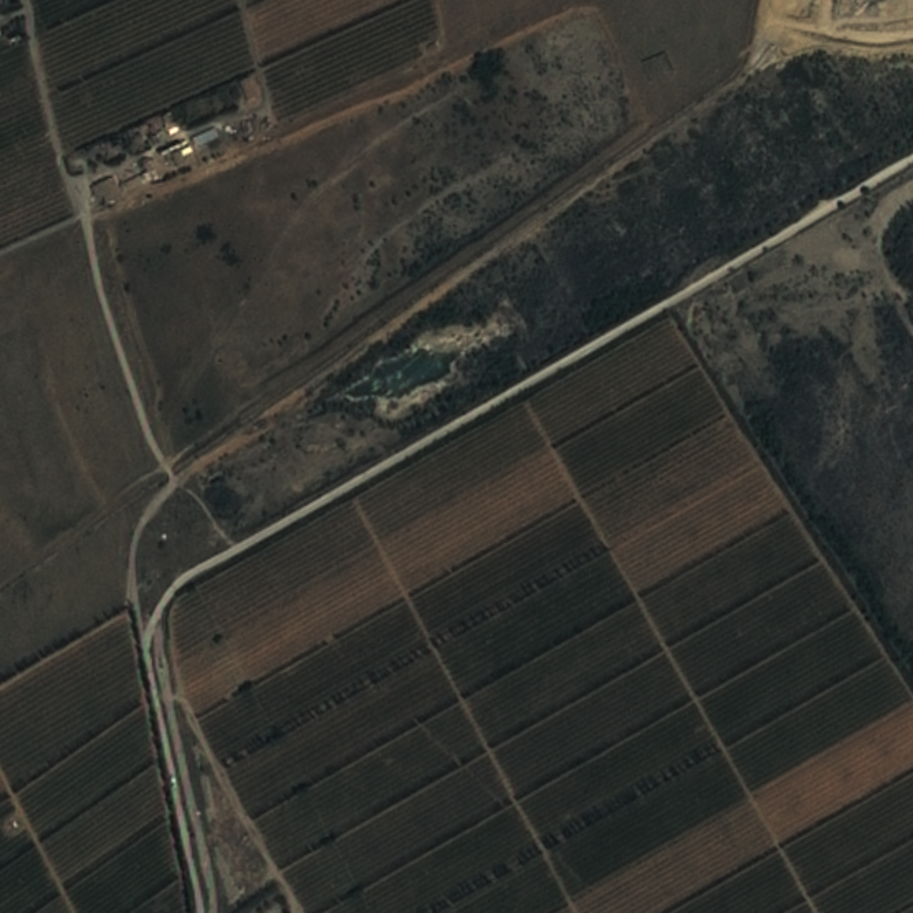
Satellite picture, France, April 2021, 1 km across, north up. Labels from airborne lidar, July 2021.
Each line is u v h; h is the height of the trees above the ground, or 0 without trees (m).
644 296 10
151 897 11
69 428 0
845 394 0
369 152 0
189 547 0
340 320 0
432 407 6
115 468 0
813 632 11
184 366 0
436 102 0
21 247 0
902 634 14
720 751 19
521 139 8
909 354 0
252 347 0
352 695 16
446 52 0
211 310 0
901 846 12
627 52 0
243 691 8
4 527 0
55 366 0
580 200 8
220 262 0
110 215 0
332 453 0
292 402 0
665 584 11
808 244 0
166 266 0
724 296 0
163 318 0
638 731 12
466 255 0
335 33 12
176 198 0
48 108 0
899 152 7
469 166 0
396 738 10
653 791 21
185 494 0
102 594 0
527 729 12
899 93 7
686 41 0
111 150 0
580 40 0
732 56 0
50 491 0
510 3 0
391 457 0
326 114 0
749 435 0
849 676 11
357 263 0
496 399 0
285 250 0
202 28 12
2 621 0
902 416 0
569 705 10
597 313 11
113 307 0
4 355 0
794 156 6
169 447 0
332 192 0
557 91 0
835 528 10
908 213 10
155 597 0
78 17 11
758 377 0
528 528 9
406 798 11
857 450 0
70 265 0
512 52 0
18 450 0
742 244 7
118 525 0
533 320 5
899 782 10
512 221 0
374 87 0
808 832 10
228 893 0
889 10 0
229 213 0
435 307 10
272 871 0
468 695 12
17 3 16
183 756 0
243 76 6
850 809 10
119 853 11
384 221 0
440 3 0
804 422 0
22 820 0
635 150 0
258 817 11
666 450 8
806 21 0
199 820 0
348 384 7
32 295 0
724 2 0
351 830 11
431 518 7
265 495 0
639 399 10
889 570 0
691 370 9
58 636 0
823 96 0
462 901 19
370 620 9
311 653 9
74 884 11
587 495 8
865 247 0
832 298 0
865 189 8
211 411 0
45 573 0
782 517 11
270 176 0
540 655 12
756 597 11
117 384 0
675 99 0
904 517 0
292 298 0
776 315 6
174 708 0
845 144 7
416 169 0
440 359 0
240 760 17
